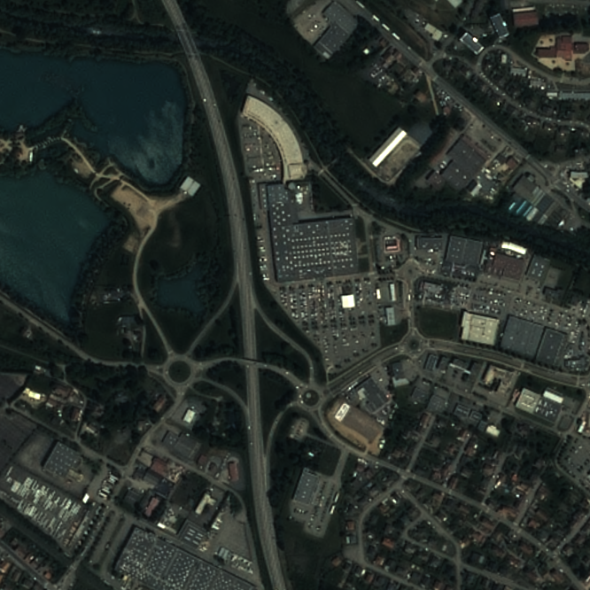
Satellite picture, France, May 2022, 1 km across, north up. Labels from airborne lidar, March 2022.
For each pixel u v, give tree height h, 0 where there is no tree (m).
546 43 0
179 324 0
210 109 0
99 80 0
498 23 0
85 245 0
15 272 0
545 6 0
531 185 0
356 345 0
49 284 0
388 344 0
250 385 0
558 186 0
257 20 0
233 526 0
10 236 0
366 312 0
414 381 0
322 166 0
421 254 0
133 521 0
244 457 0
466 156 0
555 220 0
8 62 0
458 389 0
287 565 0
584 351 0
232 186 0
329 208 0
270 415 0
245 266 0
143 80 0
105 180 0
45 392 0
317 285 0
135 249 0
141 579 0
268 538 0
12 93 0
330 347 0
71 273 0
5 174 9
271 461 0
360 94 0
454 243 0
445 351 0
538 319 0
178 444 0
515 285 0
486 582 0
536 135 0
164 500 10
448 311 0
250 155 0
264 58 18
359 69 13
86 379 17
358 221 0
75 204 0
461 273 0
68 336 15
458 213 14
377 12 0
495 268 0
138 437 14
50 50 15
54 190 0
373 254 0
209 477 0
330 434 0
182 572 0
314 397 0
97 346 0
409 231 0
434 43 0
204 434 20
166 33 12
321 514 0
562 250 16
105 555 0
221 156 0
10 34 0
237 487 0
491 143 0
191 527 0
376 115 0
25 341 0
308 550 0
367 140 0
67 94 0
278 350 0
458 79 0
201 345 0
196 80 0
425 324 0
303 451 12
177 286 0
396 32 0
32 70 0
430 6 0
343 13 0
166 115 0
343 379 0
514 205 0
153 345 0
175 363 0
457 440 0
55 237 0
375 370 0
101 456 0
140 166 0
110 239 14
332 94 0
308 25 0
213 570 0
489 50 0
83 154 0
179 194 0
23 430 0
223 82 0
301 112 17
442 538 0
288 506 0
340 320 0
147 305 0
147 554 0
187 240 0
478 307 0
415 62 0
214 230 0
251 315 0
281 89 14
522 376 0
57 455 0
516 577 0
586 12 0
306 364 0
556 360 0
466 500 0
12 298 11
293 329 0
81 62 0
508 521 0
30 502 0
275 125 0
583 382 0
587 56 0
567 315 0
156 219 0
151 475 0
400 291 0
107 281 0
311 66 0
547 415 0
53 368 14
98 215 0
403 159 0
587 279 0
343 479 0
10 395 0
